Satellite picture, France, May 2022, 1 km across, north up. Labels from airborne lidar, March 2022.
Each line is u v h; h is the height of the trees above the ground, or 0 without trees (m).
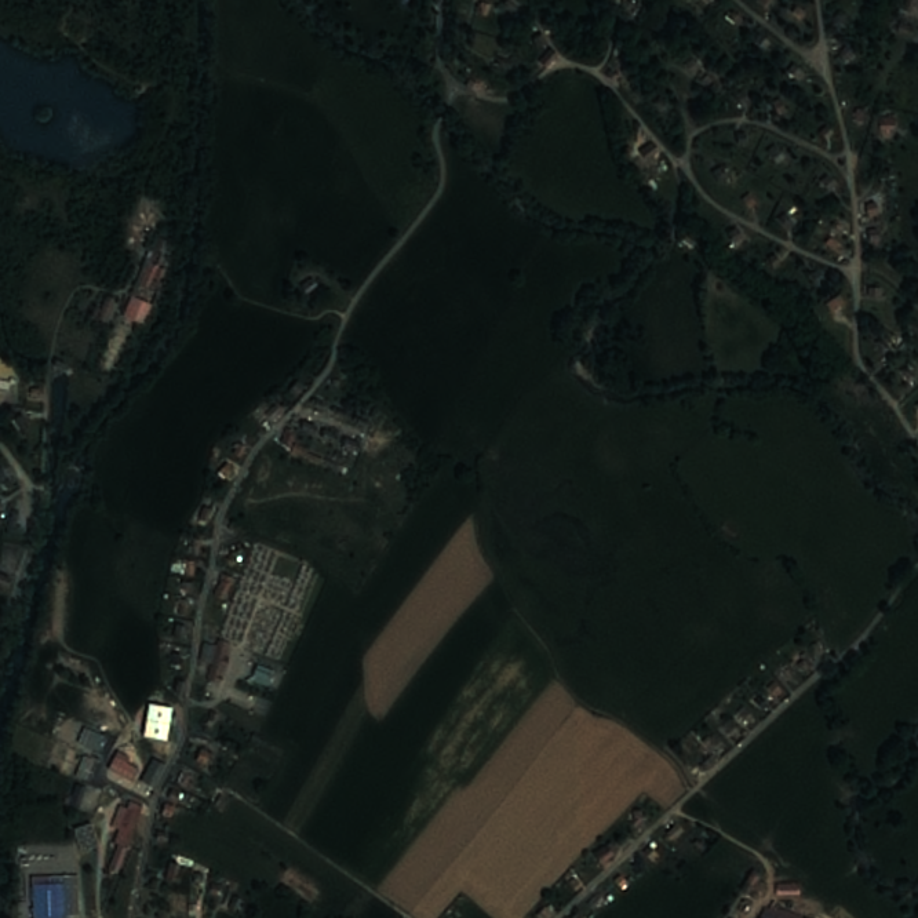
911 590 0
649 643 0
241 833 0
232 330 0
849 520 0
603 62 0
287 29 0
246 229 0
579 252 0
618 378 20
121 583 0
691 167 0
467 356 0
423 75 27
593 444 0
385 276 0
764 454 0
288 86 0
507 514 0
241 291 0
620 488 0
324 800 0
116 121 0
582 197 0
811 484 0
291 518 0
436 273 0
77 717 0
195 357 0
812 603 11
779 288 22
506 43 14
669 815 0
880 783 14
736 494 0
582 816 0
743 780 0
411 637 0
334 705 0
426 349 0
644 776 0
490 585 0
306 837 0
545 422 0
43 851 0
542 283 0
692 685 0
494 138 0
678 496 0
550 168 0
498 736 0
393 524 0
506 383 0
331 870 0
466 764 0
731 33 0
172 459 0
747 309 0
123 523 0
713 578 0
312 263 7
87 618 0
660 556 0
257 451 0
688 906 0
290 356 0
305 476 0
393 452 0
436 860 0
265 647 0
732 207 0
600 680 0
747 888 0
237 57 0
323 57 0
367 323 0
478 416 0
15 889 15
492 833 0
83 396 0
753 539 0
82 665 0
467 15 0
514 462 0
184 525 0
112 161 12
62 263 0
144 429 0
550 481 0
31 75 0
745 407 0
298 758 0
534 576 0
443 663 0
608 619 0
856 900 0
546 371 0
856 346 0
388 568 0
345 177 0
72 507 9
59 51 8
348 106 0
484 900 0
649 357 0
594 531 0
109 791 0
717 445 0
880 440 0
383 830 0
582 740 0
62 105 0
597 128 0
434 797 0
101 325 9
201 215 8
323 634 0
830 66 0
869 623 0
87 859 0
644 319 0
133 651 0
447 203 0
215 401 0
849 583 0
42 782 0
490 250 0
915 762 21
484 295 0
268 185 0
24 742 0
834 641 0
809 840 0
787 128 16
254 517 0
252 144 0
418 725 0
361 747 0
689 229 26
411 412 0
